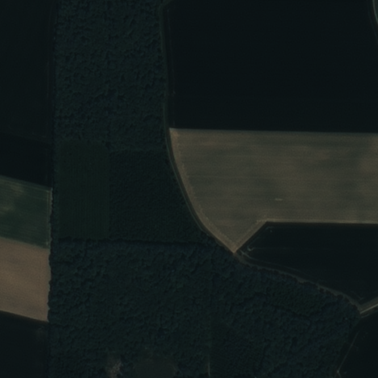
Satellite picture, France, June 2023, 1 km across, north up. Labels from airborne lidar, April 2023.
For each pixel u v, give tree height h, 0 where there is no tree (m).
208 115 0
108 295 24
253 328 27
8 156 0
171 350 23
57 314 23
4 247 0
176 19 0
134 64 28
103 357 27
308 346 33
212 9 0
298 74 0
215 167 0
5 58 0
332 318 28
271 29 0
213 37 0
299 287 14
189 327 25
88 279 20
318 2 0
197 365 26
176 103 0
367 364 0
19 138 0
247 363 10
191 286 26
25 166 0
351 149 0
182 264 28
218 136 0
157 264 27
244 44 0
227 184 0
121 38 25
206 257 23
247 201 0
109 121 28
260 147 0
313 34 0
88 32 23
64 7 19
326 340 23
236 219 0
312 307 12
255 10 0
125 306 26
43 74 0
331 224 0
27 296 0
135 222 9
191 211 0
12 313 0
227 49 0
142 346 20
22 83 0
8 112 0
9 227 0
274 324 25
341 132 0
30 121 0
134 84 26
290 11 0
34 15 0
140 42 23
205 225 0
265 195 0
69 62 23
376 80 0
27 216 0
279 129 0
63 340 24
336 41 0
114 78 26
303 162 0
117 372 0
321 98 0
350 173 0
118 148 20
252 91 0
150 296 26
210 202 0
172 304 23
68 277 18
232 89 0
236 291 30
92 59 23
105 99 27
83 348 14
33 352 0
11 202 0
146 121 23
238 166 0
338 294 0
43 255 0
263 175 0
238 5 0
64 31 22
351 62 0
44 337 0
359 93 0
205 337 24
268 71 0
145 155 6
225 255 20
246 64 0
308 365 23
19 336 0
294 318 27
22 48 0
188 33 0
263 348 10
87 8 24
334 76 0
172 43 0
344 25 0
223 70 0
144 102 28
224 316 25
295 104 0
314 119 0
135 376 22
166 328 24
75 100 26
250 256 0
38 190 0
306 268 0
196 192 0
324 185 0
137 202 9
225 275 25
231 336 12
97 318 26
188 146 0
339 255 0
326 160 0
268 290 12
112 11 27
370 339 0
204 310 26
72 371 12
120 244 26
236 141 0
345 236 0
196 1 0
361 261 0
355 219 0
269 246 0
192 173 0
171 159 0
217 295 28
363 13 0
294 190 0
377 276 0
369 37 0
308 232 0
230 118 0
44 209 0
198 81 0
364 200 0
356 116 0
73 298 23
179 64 0
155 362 0
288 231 0
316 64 0
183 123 0
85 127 24
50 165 0
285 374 17
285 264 0
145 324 14
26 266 0
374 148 0
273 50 0
